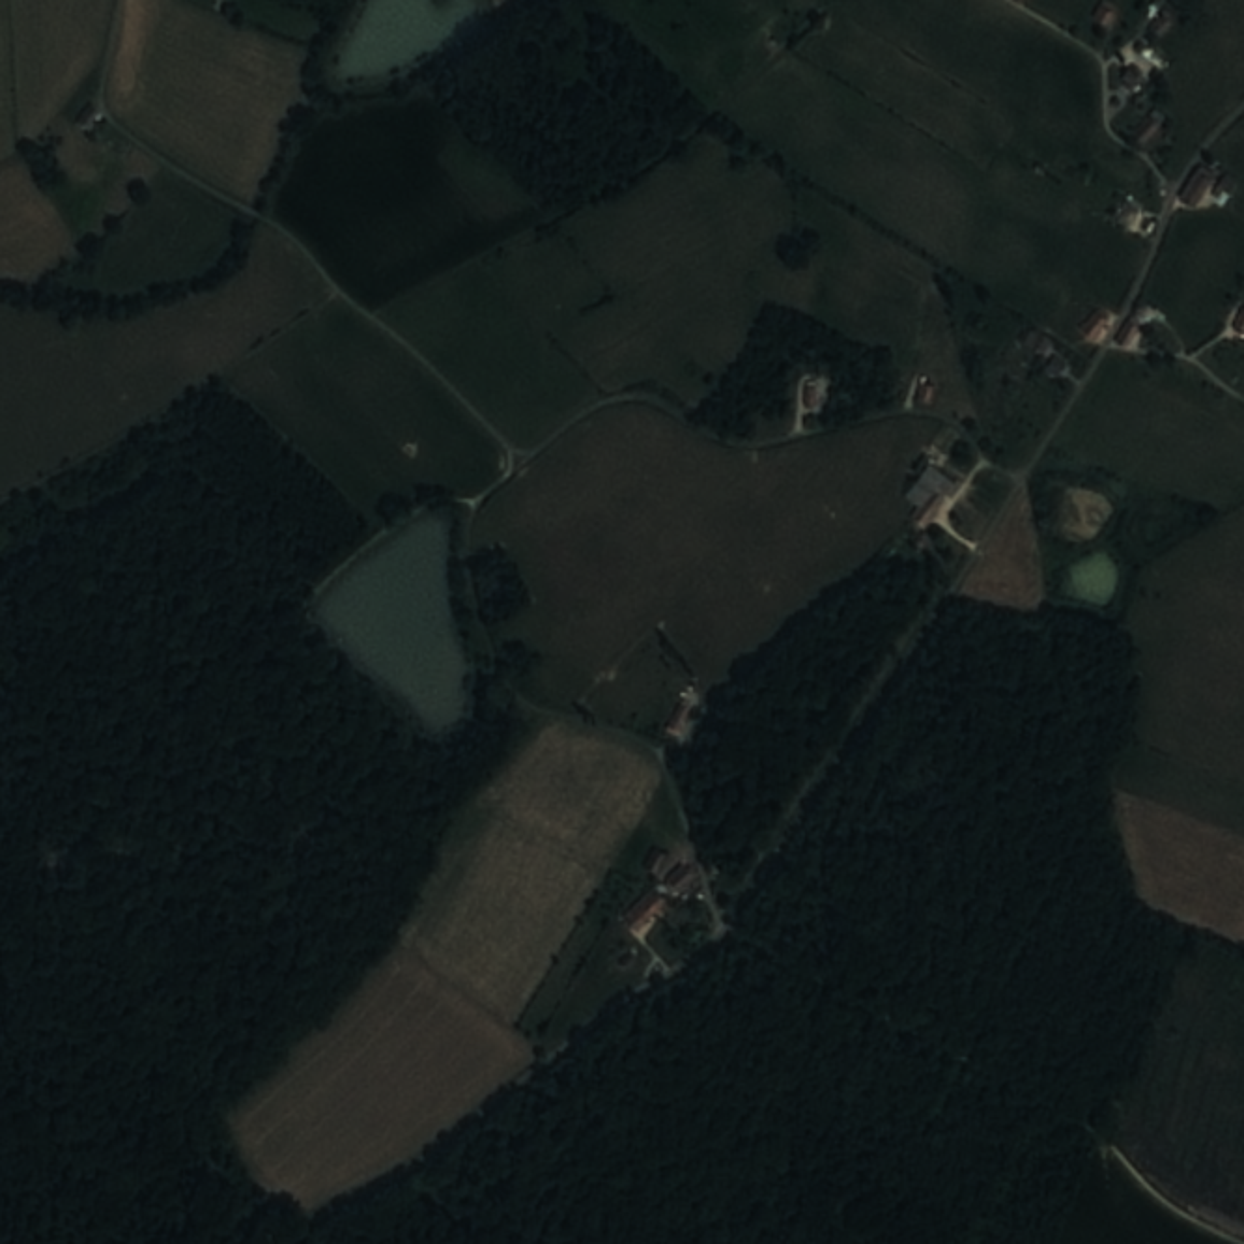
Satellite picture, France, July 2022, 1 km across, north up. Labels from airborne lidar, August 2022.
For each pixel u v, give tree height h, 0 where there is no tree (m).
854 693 22
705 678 0
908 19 0
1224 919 0
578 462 0
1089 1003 20
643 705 0
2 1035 19
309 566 25
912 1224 26
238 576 24
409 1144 0
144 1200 20
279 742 23
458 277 0
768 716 22
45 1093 25
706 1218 17
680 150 15
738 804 27
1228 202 0
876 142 0
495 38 36
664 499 0
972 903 19
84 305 17
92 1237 23
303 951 23
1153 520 0
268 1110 0
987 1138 20
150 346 0
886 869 22
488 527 0
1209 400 0
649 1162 17
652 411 0
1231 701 0
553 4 18
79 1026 24
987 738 25
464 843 0
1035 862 19
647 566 0
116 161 0
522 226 0
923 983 22
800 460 0
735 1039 23
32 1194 24
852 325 0
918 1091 20
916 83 0
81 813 23
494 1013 0
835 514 0
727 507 0
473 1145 23
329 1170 0
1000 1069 20
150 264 0
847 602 19
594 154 22
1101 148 0
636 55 22
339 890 19
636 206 0
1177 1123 0
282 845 21
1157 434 0
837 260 0
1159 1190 0
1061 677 19
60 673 23
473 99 32
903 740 16
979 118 0
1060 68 0
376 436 0
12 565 14
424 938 0
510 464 0
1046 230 0
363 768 21
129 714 17
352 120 0
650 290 0
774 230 0
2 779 19
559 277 0
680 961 0
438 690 0
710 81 0
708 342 0
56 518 17
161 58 0
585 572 0
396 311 0
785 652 17
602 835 0
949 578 7
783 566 0
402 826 19
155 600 24
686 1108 20
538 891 0
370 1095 0
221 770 18
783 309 9
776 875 23
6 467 0
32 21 0
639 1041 22
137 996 23
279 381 0
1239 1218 0
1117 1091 15
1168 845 0
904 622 22
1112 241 0
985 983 23
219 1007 23
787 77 0
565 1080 24
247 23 10
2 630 26
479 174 0
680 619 0
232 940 24
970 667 22
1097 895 19
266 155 0
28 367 0
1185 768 0
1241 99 0
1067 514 0
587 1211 23
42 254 0
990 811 24
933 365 0
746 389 12
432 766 19
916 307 0
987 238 0
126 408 0
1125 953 23
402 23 0
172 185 0
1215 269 0
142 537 24
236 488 23
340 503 19
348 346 0
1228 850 0
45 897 23
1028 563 0
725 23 0
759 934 16
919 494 0
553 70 6
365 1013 0
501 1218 26
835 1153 22
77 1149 24
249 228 18
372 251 0
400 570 0
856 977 29
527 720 24
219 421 19
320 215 0
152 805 20
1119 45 6
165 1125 32
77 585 25
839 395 8
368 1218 20
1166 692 0
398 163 0
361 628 0
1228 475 0
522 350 0
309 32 0
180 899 21
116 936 25
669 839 0
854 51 0
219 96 0
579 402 0
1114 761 16
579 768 0
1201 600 0
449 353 0
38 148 16
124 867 22
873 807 14
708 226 0
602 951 0
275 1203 29
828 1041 21
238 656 22
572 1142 24
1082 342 0
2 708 19
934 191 0
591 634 0
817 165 0
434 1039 0
